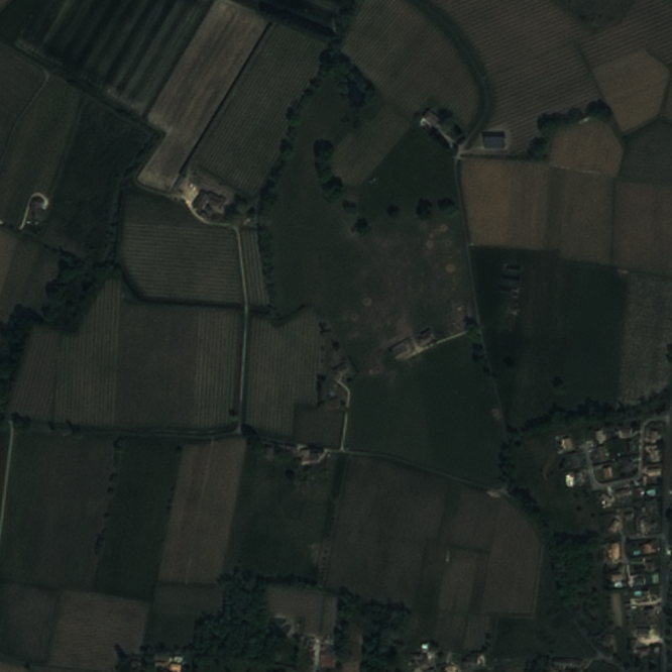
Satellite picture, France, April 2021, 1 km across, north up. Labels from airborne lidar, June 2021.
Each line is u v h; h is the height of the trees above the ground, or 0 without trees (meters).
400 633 25
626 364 0
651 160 0
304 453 0
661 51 0
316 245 0
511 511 0
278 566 0
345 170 0
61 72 0
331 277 0
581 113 10
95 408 0
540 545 0
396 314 0
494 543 0
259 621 19
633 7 0
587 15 0
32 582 0
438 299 0
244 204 22
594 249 0
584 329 0
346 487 0
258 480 0
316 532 0
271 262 12
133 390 0
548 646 0
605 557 12
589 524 0
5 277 0
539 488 0
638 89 0
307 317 0
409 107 0
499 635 0
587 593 13
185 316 0
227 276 0
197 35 0
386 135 0
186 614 0
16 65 0
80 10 0
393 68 0
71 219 0
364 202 0
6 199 0
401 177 0
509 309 0
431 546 0
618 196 0
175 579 0
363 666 9
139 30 0
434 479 0
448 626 0
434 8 0
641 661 12
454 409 0
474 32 0
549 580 0
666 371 0
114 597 0
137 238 0
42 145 0
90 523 0
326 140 0
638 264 0
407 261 0
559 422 16
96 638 0
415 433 0
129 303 0
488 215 0
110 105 0
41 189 0
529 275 0
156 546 0
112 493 8
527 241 0
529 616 0
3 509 0
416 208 0
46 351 0
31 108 0
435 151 0
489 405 0
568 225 0
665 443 9
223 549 0
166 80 0
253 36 0
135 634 0
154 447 0
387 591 0
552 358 0
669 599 9
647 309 0
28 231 0
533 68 0
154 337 0
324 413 0
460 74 0
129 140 0
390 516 0
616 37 0
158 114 0
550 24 0
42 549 0
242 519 0
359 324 0
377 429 0
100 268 13
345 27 18
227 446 0
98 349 0
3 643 0
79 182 0
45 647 0
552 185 0
